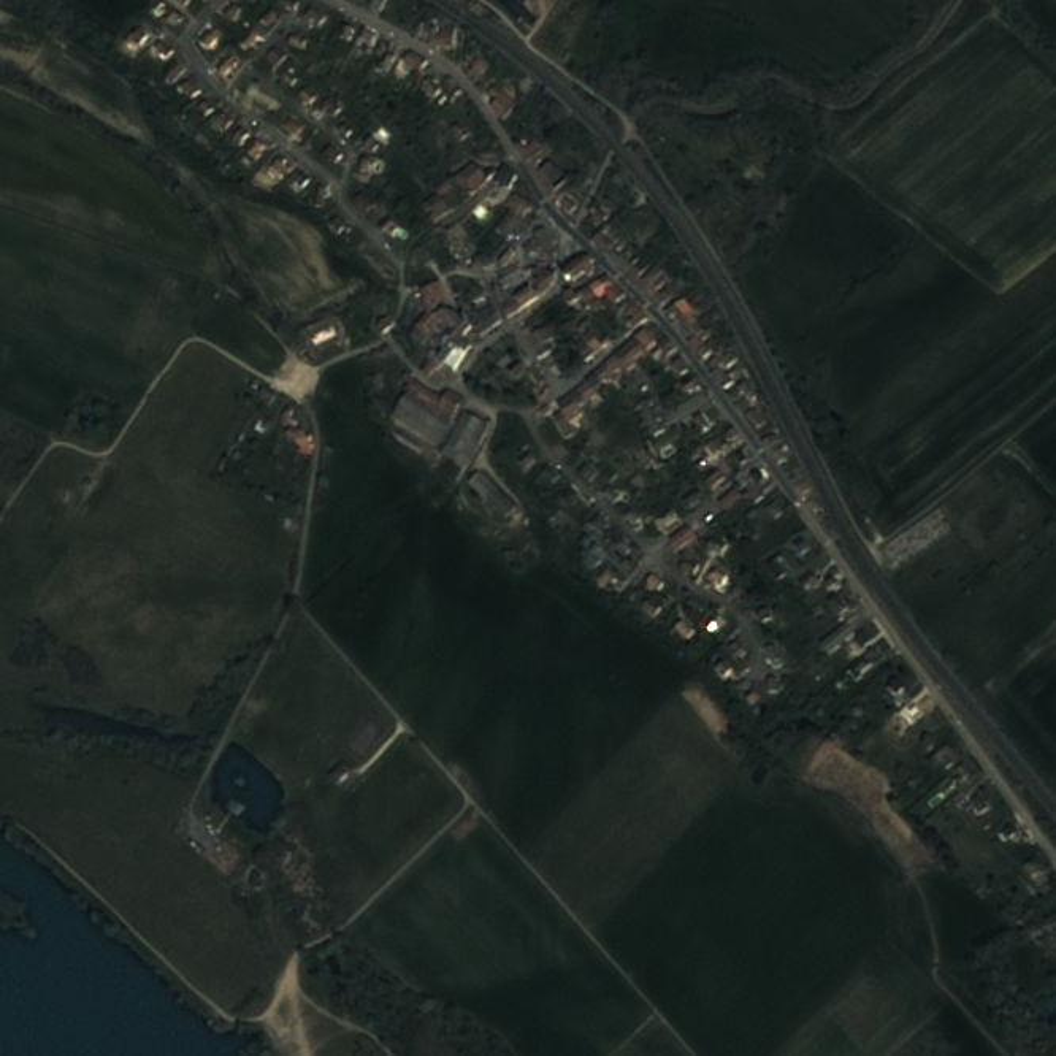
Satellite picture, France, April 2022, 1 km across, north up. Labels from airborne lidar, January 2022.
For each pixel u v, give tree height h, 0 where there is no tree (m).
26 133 0
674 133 0
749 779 0
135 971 0
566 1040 0
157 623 0
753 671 0
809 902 0
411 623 0
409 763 0
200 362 0
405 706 0
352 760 0
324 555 0
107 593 0
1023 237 0
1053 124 0
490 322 0
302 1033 0
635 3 0
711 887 0
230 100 0
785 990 0
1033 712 0
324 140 0
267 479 0
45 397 0
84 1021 0
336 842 0
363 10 0
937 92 0
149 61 0
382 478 0
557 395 0
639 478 0
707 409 0
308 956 9
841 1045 0
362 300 14
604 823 0
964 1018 0
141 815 0
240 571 0
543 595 0
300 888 0
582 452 6
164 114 10
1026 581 0
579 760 0
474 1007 0
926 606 0
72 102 0
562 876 0
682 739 0
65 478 0
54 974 0
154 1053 0
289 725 0
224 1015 0
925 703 0
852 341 0
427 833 0
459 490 0
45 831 0
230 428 0
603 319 8
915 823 11
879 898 0
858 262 0
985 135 0
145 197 0
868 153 0
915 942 0
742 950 0
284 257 0
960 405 0
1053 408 0
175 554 0
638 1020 0
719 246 0
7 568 0
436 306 0
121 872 0
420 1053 0
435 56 0
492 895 0
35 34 0
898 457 0
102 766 0
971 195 0
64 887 0
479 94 0
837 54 0
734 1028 0
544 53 0
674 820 0
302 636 0
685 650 7
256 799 0
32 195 0
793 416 0
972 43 0
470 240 0
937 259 0
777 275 0
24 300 0
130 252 0
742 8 0
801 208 0
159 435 0
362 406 0
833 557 0
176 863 0
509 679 0
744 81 19
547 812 0
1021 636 0
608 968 0
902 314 0
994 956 22
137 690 0
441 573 0
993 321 0
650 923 0
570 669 0
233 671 13
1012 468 0
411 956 0
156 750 6
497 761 0
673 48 0
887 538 0
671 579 0
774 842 0
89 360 0
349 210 0
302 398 0
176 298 0
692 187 0
